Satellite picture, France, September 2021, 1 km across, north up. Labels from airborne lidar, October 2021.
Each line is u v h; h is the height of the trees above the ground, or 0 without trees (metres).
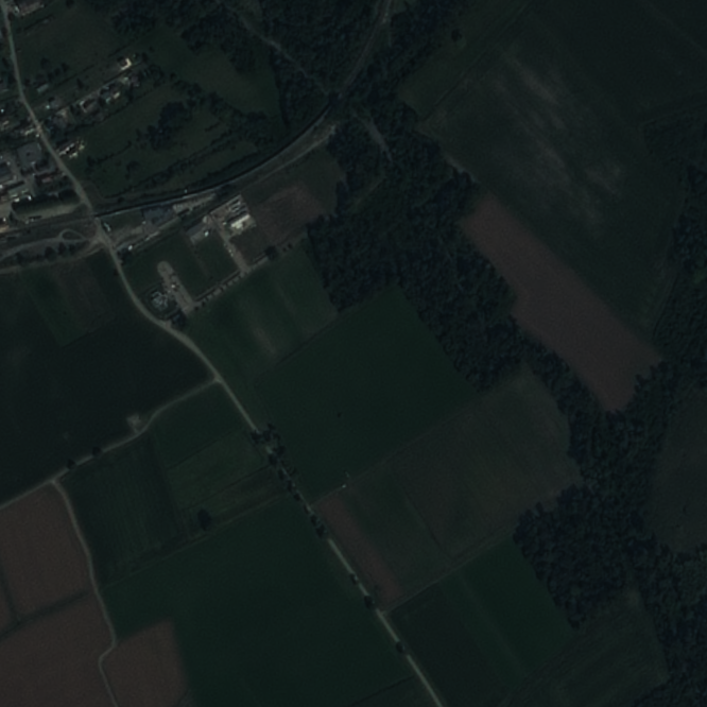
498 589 0
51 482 0
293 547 0
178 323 12
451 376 0
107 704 0
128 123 0
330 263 23
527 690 0
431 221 25
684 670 17
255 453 0
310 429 0
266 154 7
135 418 0
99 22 0
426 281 19
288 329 0
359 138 16
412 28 22
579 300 0
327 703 0
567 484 0
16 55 0
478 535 0
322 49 8
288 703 0
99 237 0
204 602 0
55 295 0
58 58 0
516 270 0
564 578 20
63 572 0
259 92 0
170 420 0
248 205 0
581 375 0
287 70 25
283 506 0
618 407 0
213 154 7
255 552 0
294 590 0
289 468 14
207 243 0
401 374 0
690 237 18
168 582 0
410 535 0
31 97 0
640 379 0
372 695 0
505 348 30
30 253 0
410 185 7
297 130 6
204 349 0
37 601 0
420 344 0
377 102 22
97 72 0
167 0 23
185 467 0
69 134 8
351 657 0
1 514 0
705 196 22
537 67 0
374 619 0
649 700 8
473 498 0
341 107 25
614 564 26
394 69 22
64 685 0
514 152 0
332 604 0
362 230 17
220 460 0
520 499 0
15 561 0
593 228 0
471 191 27
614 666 0
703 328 6
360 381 0
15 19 12
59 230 0
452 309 22
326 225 16
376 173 24
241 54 20
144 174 0
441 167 29
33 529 0
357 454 0
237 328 0
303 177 0
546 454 0
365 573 0
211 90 0
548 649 0
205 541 0
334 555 0
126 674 0
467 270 23
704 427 0
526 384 0
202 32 29
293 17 15
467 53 0
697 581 10
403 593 0
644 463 7
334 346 0
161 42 0
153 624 0
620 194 0
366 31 14
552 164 0
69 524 0
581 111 0
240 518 0
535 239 0
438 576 0
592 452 17
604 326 0
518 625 0
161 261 0
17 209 14
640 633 0
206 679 0
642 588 20
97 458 12
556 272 0
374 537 0
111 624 0
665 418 6
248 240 0
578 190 0
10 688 0
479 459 0
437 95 0
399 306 0
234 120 19
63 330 0
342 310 15
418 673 0
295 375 0
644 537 36
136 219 0
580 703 0
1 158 0
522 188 0
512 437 0
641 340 0
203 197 0
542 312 0
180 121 21
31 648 0
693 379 6
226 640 0
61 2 0
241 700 0
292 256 0
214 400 0
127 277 0
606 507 19
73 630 0
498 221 0
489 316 29
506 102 0
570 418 27
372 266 7
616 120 0
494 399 0
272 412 0
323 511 0
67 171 0
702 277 28
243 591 0
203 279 0
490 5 0
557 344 0
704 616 19
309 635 0
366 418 0
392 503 0
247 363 0
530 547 19
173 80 6
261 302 0
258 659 0
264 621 0
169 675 0
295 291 0
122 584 0
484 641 0
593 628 0
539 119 0
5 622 0
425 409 0
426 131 0
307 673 0
